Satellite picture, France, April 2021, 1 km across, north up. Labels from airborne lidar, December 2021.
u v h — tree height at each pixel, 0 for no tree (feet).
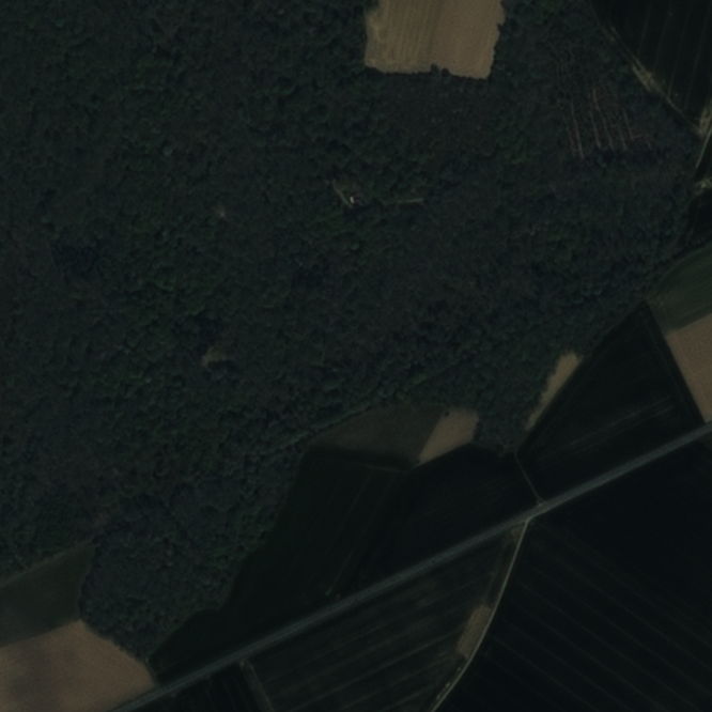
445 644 0
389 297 55
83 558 0
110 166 64
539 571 0
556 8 51
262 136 81
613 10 0
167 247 58
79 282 73
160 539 72
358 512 0
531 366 77
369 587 0
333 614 0
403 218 21
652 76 0
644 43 0
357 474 0
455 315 75
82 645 0
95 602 69
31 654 0
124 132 73
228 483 83
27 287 65
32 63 70
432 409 0
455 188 43
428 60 0
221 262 73
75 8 73
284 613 0
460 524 0
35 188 75
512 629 0
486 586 0
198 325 70
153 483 61
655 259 41
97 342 84
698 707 0
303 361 32
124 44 79
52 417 77
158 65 79
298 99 68
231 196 72
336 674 0
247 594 0
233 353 60
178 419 70
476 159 26
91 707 0
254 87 61
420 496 0
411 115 60
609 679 0
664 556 0
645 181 88
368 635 0
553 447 0
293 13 58
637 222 62
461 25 0
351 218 79
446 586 0
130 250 67
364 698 0
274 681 0
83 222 68
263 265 73
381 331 53
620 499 0
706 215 0
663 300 0
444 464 0
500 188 74
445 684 0
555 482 0
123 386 45
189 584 63
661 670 0
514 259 68
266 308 70
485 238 50
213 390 71
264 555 0
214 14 79
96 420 81
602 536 0
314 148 73
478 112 57
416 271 71
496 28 0
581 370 0
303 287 68
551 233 69
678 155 67
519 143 73
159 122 70
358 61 54
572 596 0
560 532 0
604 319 54
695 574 0
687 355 0
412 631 0
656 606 0
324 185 68
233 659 0
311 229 66
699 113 0
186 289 59
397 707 0
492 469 0
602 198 85
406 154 36
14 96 74
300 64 38
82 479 70
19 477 63
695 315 0
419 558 0
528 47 59
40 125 75
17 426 30
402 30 0
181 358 81
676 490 0
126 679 0
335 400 45
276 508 28
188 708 0
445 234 73
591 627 0
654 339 0
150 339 79
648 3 0
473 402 54
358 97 23
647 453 0
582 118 18
